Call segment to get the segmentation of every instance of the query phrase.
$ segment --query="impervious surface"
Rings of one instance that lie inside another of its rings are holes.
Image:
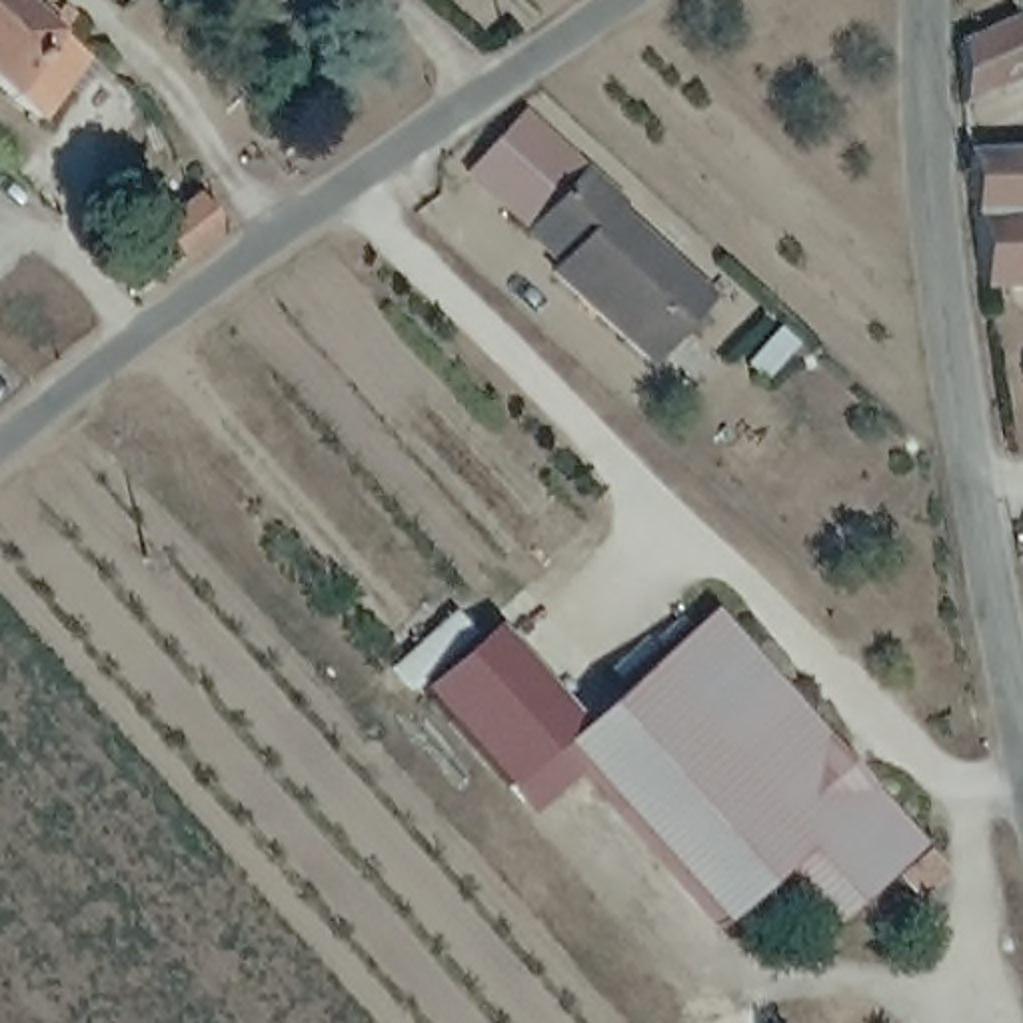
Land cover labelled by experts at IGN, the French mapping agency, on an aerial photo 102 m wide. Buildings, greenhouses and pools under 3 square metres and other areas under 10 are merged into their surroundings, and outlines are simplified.
[[[995,512],[987,456],[1003,448],[999,420],[991,408],[983,312],[975,300],[975,256],[967,236],[963,172],[959,124],[947,112],[947,100],[955,96],[955,28],[951,0],[907,0],[907,180],[919,248],[903,252],[899,260],[907,272],[907,300],[915,320],[923,408],[903,420],[903,432],[919,444],[927,436],[943,440],[943,464],[951,484],[947,508],[955,515],[967,575],[963,611],[971,615],[971,655],[979,659],[983,683],[983,691],[967,707],[967,719],[983,731],[983,759],[995,763],[1023,791],[1023,519],[1015,523],[1007,512]]]
[[[420,691],[428,683],[428,671],[436,679],[448,679],[500,623],[527,643],[527,631],[543,619],[543,611],[559,603],[563,587],[591,563],[595,551],[571,543],[559,551],[535,547],[535,559],[543,567],[539,583],[515,591],[504,611],[496,603],[476,603],[472,619],[456,615],[448,615],[440,631],[432,631],[404,663],[396,663],[396,667],[400,683]]]
[[[100,384],[128,364],[204,308],[244,272],[280,252],[288,240],[320,224],[328,216],[340,216],[372,184],[404,172],[424,148],[432,148],[432,140],[468,120],[480,104],[504,96],[515,80],[539,72],[543,64],[583,44],[587,36],[595,36],[643,0],[591,0],[555,32],[539,36],[519,56],[500,64],[496,72],[468,80],[444,100],[428,116],[408,124],[400,136],[392,136],[388,144],[332,176],[320,192],[276,204],[272,216],[256,220],[224,260],[216,260],[208,272],[200,272],[180,292],[160,300],[148,316],[136,316],[112,344],[104,344],[52,392],[44,392],[32,408],[24,408],[12,424],[0,428],[0,464],[12,452],[20,452],[40,428],[48,428],[68,404],[76,404],[84,392]]]

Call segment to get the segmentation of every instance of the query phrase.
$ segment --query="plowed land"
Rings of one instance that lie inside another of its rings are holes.
[[[80,639],[48,615],[44,599],[16,575],[12,559],[4,559],[0,551],[0,595],[28,619],[28,627],[40,631],[40,639],[120,723],[120,731],[140,747],[140,755],[156,763],[156,771],[180,791],[196,819],[248,871],[248,879],[272,899],[272,907],[312,943],[312,951],[344,979],[344,987],[372,1011],[376,1023],[412,1023],[408,1011],[388,999],[388,991],[344,947],[344,939],[336,939],[320,923],[320,915],[296,895],[296,887],[288,887],[276,863],[248,839],[248,831],[208,795],[208,787],[196,783],[196,775],[180,763],[176,747],[168,747],[144,723],[144,715],[100,675],[100,667],[80,651]]]
[[[308,823],[300,803],[280,791],[288,779],[304,783],[320,799],[320,807],[352,835],[352,843],[384,867],[388,883],[416,907],[416,915],[436,935],[444,935],[452,955],[480,979],[488,999],[512,1015],[512,1023],[571,1023],[559,1011],[559,1003],[539,987],[539,979],[508,955],[500,935],[476,919],[472,903],[460,899],[460,891],[436,871],[436,863],[404,835],[404,827],[372,799],[372,791],[308,727],[308,719],[288,703],[288,695],[268,679],[268,671],[236,643],[236,635],[228,635],[208,615],[208,607],[172,571],[148,571],[144,555],[136,555],[136,531],[128,515],[116,512],[104,496],[104,484],[112,484],[128,496],[120,456],[104,452],[88,436],[104,404],[100,384],[84,392],[76,404],[68,404],[48,428],[40,428],[20,452],[12,452],[0,464],[0,547],[24,547],[32,571],[44,575],[56,587],[60,603],[88,623],[96,647],[116,655],[120,671],[152,695],[156,711],[172,727],[188,735],[196,755],[208,767],[216,767],[228,795],[252,807],[260,831],[284,843],[292,867],[320,887],[332,911],[352,923],[352,931],[380,959],[380,967],[404,991],[412,991],[436,1023],[488,1023],[472,1007],[464,987],[456,987],[444,975],[432,951],[376,895],[376,887],[332,847],[328,835],[320,835]],[[216,679],[220,695],[252,719],[256,735],[280,751],[280,767],[264,767],[236,739],[236,731],[208,707],[208,695],[172,667],[172,659],[140,631],[128,607],[112,599],[108,583],[72,551],[64,535],[56,535],[40,519],[40,504],[64,512],[80,527],[80,535],[104,559],[116,563],[124,583],[144,599],[148,615],[180,639],[184,655],[200,663]]]
[[[623,1015],[583,979],[567,951],[547,935],[547,927],[496,879],[484,855],[448,819],[436,815],[432,799],[416,787],[416,779],[396,767],[396,759],[376,739],[364,739],[344,699],[316,683],[312,663],[276,631],[276,623],[244,595],[244,587],[164,512],[164,504],[152,492],[136,504],[144,508],[148,543],[172,543],[180,559],[212,583],[216,599],[252,631],[252,643],[276,651],[284,675],[340,731],[340,743],[376,767],[380,783],[396,795],[396,803],[408,807],[420,831],[448,851],[456,871],[476,879],[484,903],[512,923],[519,943],[543,959],[551,979],[575,995],[591,1023],[623,1023]]]

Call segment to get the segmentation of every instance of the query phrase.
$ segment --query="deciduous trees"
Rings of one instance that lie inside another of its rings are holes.
[[[667,436],[703,408],[699,384],[683,376],[667,400],[643,396],[647,420]]]
[[[512,416],[519,416],[527,404],[512,384],[480,384],[468,360],[452,360],[444,352],[444,340],[460,332],[440,304],[432,304],[424,316],[420,308],[408,308],[400,300],[384,312],[384,320],[452,388],[452,396],[488,432],[504,432]]]
[[[216,767],[208,767],[196,755],[188,735],[172,727],[156,711],[152,695],[120,671],[116,655],[96,647],[88,623],[60,603],[56,587],[44,575],[32,571],[24,547],[0,547],[0,551],[4,559],[12,559],[16,575],[44,599],[48,615],[80,639],[80,651],[100,667],[100,675],[144,715],[144,723],[168,747],[176,747],[180,763],[196,775],[196,783],[208,787],[208,795],[248,831],[248,839],[276,863],[288,887],[296,887],[296,895],[320,915],[320,923],[336,939],[344,939],[344,947],[388,991],[388,999],[408,1011],[412,1023],[436,1023],[412,991],[404,991],[380,967],[380,959],[352,931],[352,923],[332,911],[320,887],[292,867],[284,843],[260,831],[252,807],[228,795]]]
[[[883,408],[875,392],[859,380],[851,384],[847,428],[863,440],[903,432],[903,420],[891,408]]]
[[[120,56],[120,48],[84,12],[76,16],[76,40],[88,44],[104,64]]]
[[[867,675],[895,695],[915,679],[903,647],[871,655],[863,663]]]
[[[452,563],[452,555],[424,531],[416,515],[408,515],[400,496],[388,496],[380,508],[412,539],[420,559],[448,587],[464,587],[468,579]]]
[[[172,659],[172,667],[208,695],[208,707],[236,731],[236,739],[264,767],[280,767],[280,751],[256,735],[252,719],[220,695],[216,679],[200,663],[184,655],[180,639],[148,615],[144,599],[124,583],[116,563],[104,559],[80,535],[80,527],[64,512],[40,504],[40,519],[56,535],[64,535],[72,551],[108,583],[112,599],[128,607],[140,631]]]
[[[843,551],[835,563],[823,563],[827,583],[855,591],[863,583],[879,583],[903,571],[907,543],[899,535],[867,535],[863,547]]]
[[[743,48],[747,16],[739,0],[675,0],[667,20],[691,52]]]
[[[811,60],[795,60],[775,72],[767,104],[783,132],[799,148],[807,148],[827,140],[827,132],[847,116],[847,108],[823,84]]]
[[[168,36],[184,44],[192,68],[208,76],[216,96],[236,84],[248,100],[252,128],[272,132],[280,144],[300,148],[304,156],[324,156],[344,140],[352,112],[364,100],[384,96],[392,72],[400,72],[404,64],[404,48],[412,44],[392,0],[380,0],[360,8],[332,8],[328,24],[300,28],[288,36],[280,20],[288,12],[288,0],[160,0]]]
[[[264,527],[264,551],[280,559],[292,579],[300,579],[316,611],[336,615],[344,623],[344,631],[372,667],[396,667],[396,663],[392,647],[400,639],[364,607],[356,575],[348,575],[336,559],[312,551],[292,523],[280,519]]]
[[[28,188],[36,180],[24,172],[28,148],[12,124],[0,120],[0,188]]]
[[[871,923],[875,959],[891,971],[931,971],[947,947],[943,903],[931,899],[919,903],[907,919]]]
[[[547,424],[535,436],[535,444],[547,452],[539,484],[547,476],[571,476],[575,492],[607,496],[591,464],[583,464],[579,452],[567,448]]]
[[[512,1023],[512,1015],[488,999],[480,979],[452,955],[444,935],[436,935],[416,915],[416,907],[388,883],[384,867],[352,843],[352,835],[320,807],[320,799],[304,783],[288,779],[280,791],[300,803],[308,823],[320,835],[328,835],[332,847],[376,887],[376,895],[432,951],[444,975],[456,987],[464,987],[472,1007],[488,1023]]]
[[[727,931],[763,967],[823,971],[835,959],[839,915],[839,907],[807,875],[787,875],[763,903],[739,915]]]
[[[851,20],[835,32],[839,68],[867,84],[887,80],[895,68],[895,52],[867,24]]]
[[[180,260],[184,228],[188,204],[180,200],[180,188],[168,188],[148,160],[112,172],[104,188],[108,196],[92,196],[84,220],[72,224],[72,236],[84,244],[96,268],[124,288],[144,288],[168,276],[168,268]]]
[[[607,96],[647,132],[647,140],[663,140],[663,120],[655,116],[655,108],[631,96],[619,80],[607,80]]]
[[[571,1023],[591,1023],[575,995],[551,979],[543,959],[519,943],[512,923],[484,903],[476,879],[456,871],[448,851],[420,831],[408,807],[396,803],[396,795],[380,783],[376,767],[340,743],[340,731],[284,675],[276,651],[252,643],[252,631],[216,599],[212,583],[180,559],[172,543],[148,543],[144,508],[136,504],[128,508],[128,515],[136,531],[136,555],[144,555],[148,571],[172,571],[208,607],[208,615],[228,635],[236,635],[236,643],[268,671],[268,679],[288,695],[288,703],[308,719],[308,727],[372,791],[372,799],[404,827],[404,835],[436,863],[436,871],[460,891],[460,899],[472,903],[476,919],[500,935],[508,955],[539,979],[539,987],[559,1003],[559,1011]]]
[[[643,64],[667,88],[683,92],[691,104],[707,104],[703,80],[679,76],[679,68],[667,64],[655,48],[643,48]]]

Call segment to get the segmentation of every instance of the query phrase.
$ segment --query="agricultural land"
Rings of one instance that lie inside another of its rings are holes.
[[[607,496],[575,492],[571,476],[547,476],[539,484],[547,452],[535,444],[535,436],[547,424],[535,412],[535,404],[527,404],[519,416],[512,416],[504,432],[488,432],[452,396],[452,388],[384,320],[384,312],[400,300],[408,308],[420,308],[424,316],[432,304],[420,288],[412,288],[412,280],[400,268],[392,268],[376,252],[372,240],[364,240],[360,232],[328,232],[320,224],[288,240],[280,252],[244,272],[204,308],[216,320],[216,328],[200,336],[196,360],[208,368],[212,384],[240,412],[252,436],[300,480],[300,488],[336,519],[352,547],[364,551],[372,567],[408,603],[428,603],[436,611],[444,599],[452,599],[456,615],[472,619],[476,603],[496,603],[504,611],[515,591],[539,583],[543,567],[535,559],[535,547],[559,551],[571,543],[595,551],[611,535]],[[420,559],[412,539],[380,508],[388,496],[400,496],[408,515],[416,515],[424,531],[452,555],[452,563],[468,579],[464,587],[448,587]]]
[[[907,272],[899,260],[903,252],[919,248],[907,180],[907,0],[739,0],[747,16],[743,48],[691,52],[667,20],[675,0],[643,0],[595,36],[587,36],[583,44],[543,64],[539,72],[543,80],[535,80],[519,96],[527,104],[531,104],[543,96],[555,108],[563,108],[587,132],[587,144],[579,148],[619,184],[631,208],[691,260],[711,252],[735,252],[823,340],[859,380],[875,392],[883,408],[891,408],[903,420],[923,408],[915,320],[907,300]],[[895,68],[887,80],[867,84],[839,68],[835,32],[851,20],[867,24],[895,52]],[[683,92],[667,88],[643,64],[643,48],[655,48],[667,64],[679,68],[679,76],[703,80],[707,104],[691,104]],[[827,132],[827,140],[807,148],[799,148],[783,132],[767,104],[775,72],[795,60],[811,60],[823,84],[847,108],[847,116]],[[607,96],[607,80],[619,80],[631,96],[655,108],[655,116],[663,120],[663,140],[647,140],[647,132]]]
[[[156,763],[140,755],[140,747],[120,731],[120,723],[40,639],[40,631],[28,627],[28,619],[0,595],[0,1023],[376,1023],[372,1011],[344,987],[344,979],[312,951],[312,943],[272,907],[272,899],[248,879],[248,871],[196,819],[180,791],[156,771]]]
[[[555,32],[591,0],[456,0],[480,24],[492,24],[496,16],[512,16],[519,24],[519,36],[496,52],[500,64],[519,56],[539,36]]]
[[[460,332],[444,340],[444,352],[452,360],[468,360],[480,384],[512,384]]]

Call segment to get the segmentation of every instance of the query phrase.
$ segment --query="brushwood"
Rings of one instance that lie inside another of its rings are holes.
[[[867,771],[879,783],[895,787],[895,803],[915,819],[923,839],[935,851],[951,847],[947,819],[931,807],[931,795],[915,783],[915,775],[875,755]]]
[[[1023,400],[1007,400],[999,312],[983,312],[991,408],[999,420],[1003,448],[1023,460]]]
[[[456,0],[424,0],[480,52],[496,52],[519,36],[519,24],[512,16],[496,16],[492,24],[480,24]]]
[[[775,332],[795,332],[799,344],[815,352],[823,340],[735,252],[711,252],[715,264],[755,304],[755,312],[719,344],[723,360],[755,356]]]
[[[136,80],[128,88],[136,116],[160,124],[168,112],[160,96],[144,80]]]
[[[791,663],[775,635],[743,603],[743,595],[715,579],[707,583],[719,595],[715,611],[731,615],[747,631],[763,659],[811,703],[811,711],[823,719],[839,747],[855,743],[839,707],[819,691],[815,675]]]

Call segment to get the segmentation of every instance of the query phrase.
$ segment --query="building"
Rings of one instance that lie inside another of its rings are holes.
[[[508,220],[515,212],[531,220],[527,236],[543,244],[547,264],[559,268],[599,312],[607,312],[647,352],[647,372],[671,368],[671,352],[711,324],[719,280],[703,276],[691,260],[631,208],[619,184],[579,148],[531,104],[527,104],[527,112],[508,128],[508,136],[468,172],[496,196],[496,216]]]
[[[795,332],[775,332],[755,356],[763,372],[779,372],[799,344]]]
[[[200,196],[188,204],[184,228],[216,208],[220,192],[204,184]]]
[[[84,92],[92,76],[104,72],[104,64],[88,44],[76,40],[76,16],[84,12],[72,0],[0,0],[0,92],[12,108],[44,116],[56,112],[68,88]]]
[[[975,164],[967,164],[963,172],[967,236],[975,256],[975,300],[983,312],[999,312],[1003,300],[1023,312],[1023,144],[983,144]]]
[[[1023,92],[1023,0],[991,0],[1003,4],[1011,20],[975,36],[959,36],[955,28],[955,96],[971,100],[971,92],[979,96],[1003,84],[1015,84]]]
[[[563,691],[555,671],[527,643],[500,623],[448,679],[436,679],[428,671],[428,683],[420,691],[440,711],[440,719],[460,727],[464,739],[496,767],[496,775],[512,783],[519,783],[539,807],[551,807],[579,779],[591,783],[591,791],[635,827],[651,855],[727,931],[739,915],[763,903],[787,875],[807,875],[839,907],[839,915],[867,911],[891,883],[907,883],[911,891],[927,887],[931,899],[943,903],[951,895],[951,847],[935,851],[923,839],[915,819],[895,803],[895,787],[879,783],[867,771],[875,755],[859,751],[855,743],[839,747],[823,719],[811,711],[811,703],[763,659],[747,631],[731,615],[715,611],[611,711],[587,711],[579,687]]]

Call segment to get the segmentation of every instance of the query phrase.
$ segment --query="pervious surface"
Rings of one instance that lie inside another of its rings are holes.
[[[1023,460],[1003,448],[987,456],[995,512],[1007,512],[1015,523],[1023,519]]]
[[[647,372],[647,352],[607,312],[599,312],[559,268],[547,264],[543,244],[527,236],[531,220],[515,212],[508,220],[496,216],[496,196],[468,172],[508,136],[508,128],[527,112],[527,104],[519,96],[535,80],[543,80],[539,72],[515,80],[504,96],[480,104],[468,120],[432,140],[432,148],[424,148],[404,172],[372,184],[340,216],[328,216],[320,224],[328,232],[360,232],[364,240],[372,240],[376,252],[392,268],[400,268],[412,280],[412,288],[420,288],[432,304],[440,304],[460,332],[512,384],[527,404],[535,404],[535,412],[547,424],[567,448],[579,452],[583,464],[591,464],[607,496],[611,535],[595,551],[591,563],[563,587],[559,603],[543,611],[543,619],[527,631],[527,643],[555,671],[563,691],[579,687],[579,675],[595,659],[627,643],[631,635],[647,631],[655,619],[671,611],[671,603],[691,599],[707,583],[715,579],[743,595],[743,603],[775,635],[791,663],[815,675],[819,691],[839,707],[855,743],[859,751],[875,755],[915,775],[915,783],[931,795],[931,807],[947,819],[951,847],[951,895],[943,903],[947,947],[931,971],[891,971],[875,959],[835,959],[823,971],[763,967],[727,931],[651,855],[635,827],[591,791],[591,783],[579,779],[551,807],[539,807],[519,783],[512,783],[519,815],[559,847],[559,855],[599,895],[603,911],[619,923],[619,931],[627,931],[635,943],[651,951],[651,971],[675,987],[687,1023],[783,1023],[779,999],[819,999],[831,1023],[1023,1023],[1023,923],[1007,911],[995,875],[991,823],[1011,819],[1023,807],[1023,791],[995,763],[983,759],[947,755],[895,695],[867,675],[863,663],[839,651],[839,643],[807,615],[799,615],[795,603],[755,563],[747,563],[715,527],[707,527],[559,380],[551,364],[535,356],[535,348],[519,332],[512,332],[424,240],[412,236],[404,212],[424,212],[428,224],[436,224],[488,280],[508,280],[515,296],[531,304],[531,320],[543,324],[543,332],[555,336],[579,364],[603,376],[623,396],[623,404],[635,404],[643,396],[667,400],[683,376],[699,384],[723,360],[719,344],[755,312],[755,304],[715,264],[711,252],[691,260],[703,276],[719,280],[711,324],[671,352],[671,368]]]
[[[587,132],[563,108],[555,108],[543,96],[531,104],[579,148],[587,144]]]
[[[28,148],[24,172],[36,180],[28,188],[0,188],[0,280],[16,268],[20,256],[44,256],[72,276],[72,284],[88,296],[88,304],[100,316],[92,336],[72,344],[44,376],[36,376],[12,408],[0,408],[0,428],[12,424],[24,408],[32,408],[44,392],[52,392],[104,344],[112,344],[136,316],[148,316],[160,300],[128,296],[124,288],[96,268],[84,244],[72,236],[72,224],[84,220],[92,196],[108,196],[104,188],[112,172],[148,160],[144,140],[132,140],[124,132],[136,116],[128,88],[136,80],[144,80],[160,96],[168,112],[192,136],[204,164],[204,184],[220,192],[232,196],[240,216],[256,220],[272,216],[276,204],[260,180],[248,176],[248,160],[212,124],[208,100],[216,96],[208,76],[192,68],[184,44],[168,36],[164,44],[152,44],[120,16],[120,4],[112,0],[72,0],[84,12],[120,48],[120,56],[104,64],[104,72],[92,76],[84,92],[68,88],[56,112],[44,116],[40,132],[48,136]]]
[[[480,52],[424,0],[392,0],[412,44],[432,56],[436,92],[444,100],[468,80],[496,72],[500,64],[496,52]]]
[[[280,519],[292,523],[312,551],[336,559],[348,575],[356,575],[364,607],[400,639],[392,647],[396,663],[404,663],[432,631],[440,631],[448,615],[456,615],[452,599],[444,599],[436,611],[428,603],[408,603],[372,567],[364,551],[352,547],[336,519],[300,488],[300,480],[252,436],[240,412],[212,384],[208,368],[196,360],[200,336],[216,328],[216,320],[204,308],[128,364],[132,376],[156,376],[188,404],[188,412],[208,428],[208,436],[240,460],[260,496],[280,508]]]
[[[959,124],[963,172],[967,164],[975,164],[983,144],[1023,144],[1023,92],[1015,84],[1003,84],[979,96],[971,92],[971,100],[955,96],[947,100],[947,112]]]

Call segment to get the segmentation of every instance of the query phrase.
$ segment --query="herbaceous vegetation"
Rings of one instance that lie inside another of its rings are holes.
[[[112,0],[120,4],[120,16],[152,44],[164,44],[168,36],[160,0]]]
[[[975,36],[1011,20],[1003,4],[991,0],[951,0],[955,28],[959,36]]]
[[[1023,807],[1011,819],[991,823],[995,875],[1007,911],[1023,923]]]
[[[555,336],[543,332],[543,324],[531,320],[531,304],[515,296],[508,280],[488,280],[436,224],[428,224],[424,212],[404,212],[412,236],[424,240],[512,332],[519,332],[535,348],[535,356],[551,364],[559,380],[707,527],[715,527],[747,563],[755,563],[795,603],[799,615],[807,615],[839,643],[839,651],[863,663],[871,655],[903,647],[915,679],[895,695],[947,755],[983,759],[983,731],[967,719],[967,707],[983,691],[983,683],[979,659],[971,655],[971,615],[963,611],[967,575],[955,515],[947,508],[951,484],[943,464],[943,440],[927,436],[919,444],[903,432],[863,440],[847,428],[851,384],[859,380],[823,340],[815,352],[799,344],[779,372],[763,372],[755,356],[723,360],[699,384],[703,408],[667,436],[647,420],[643,396],[635,404],[623,404],[623,396],[603,376],[579,364]],[[903,571],[879,583],[863,583],[855,591],[827,583],[823,563],[835,563],[843,551],[863,547],[867,535],[899,535],[907,543]]]
[[[436,815],[448,819],[484,855],[496,879],[547,927],[547,935],[567,951],[583,979],[623,1015],[623,1023],[687,1023],[675,987],[651,971],[651,951],[635,943],[627,931],[619,931],[619,923],[603,911],[599,895],[559,855],[559,847],[519,815],[512,783],[496,775],[496,767],[464,739],[460,727],[440,719],[440,711],[420,691],[400,683],[396,667],[372,667],[344,631],[344,623],[336,615],[316,611],[300,579],[292,579],[280,559],[264,551],[264,527],[280,519],[280,508],[260,496],[240,460],[208,436],[208,428],[188,412],[188,404],[156,376],[132,376],[128,364],[100,384],[104,404],[88,436],[104,452],[120,456],[128,496],[112,484],[104,484],[104,496],[116,512],[128,515],[128,508],[136,504],[152,492],[164,504],[164,512],[244,587],[244,595],[276,623],[276,631],[312,663],[316,683],[344,699],[364,739],[376,739],[396,759],[396,767],[416,779],[416,787],[432,799]]]
[[[867,911],[839,915],[835,959],[875,959],[871,923],[907,919],[919,903],[931,899],[927,887],[911,891],[907,883],[891,883]]]
[[[256,220],[240,216],[232,196],[220,192],[216,208],[184,228],[180,260],[168,268],[168,276],[144,288],[124,288],[128,296],[160,300],[180,292],[200,272],[208,272],[216,260],[224,260]]]
[[[28,148],[48,136],[40,132],[44,116],[12,108],[0,92],[0,120],[12,124]]]
[[[831,1023],[819,999],[779,999],[783,1023]]]
[[[1007,400],[1023,400],[1023,312],[1003,300],[999,312]]]
[[[715,611],[719,595],[707,583],[691,599],[671,603],[671,611],[655,619],[647,631],[631,635],[627,643],[595,659],[579,675],[579,687],[587,711],[611,711]]]
[[[124,132],[132,140],[144,140],[148,160],[168,188],[180,188],[180,200],[188,204],[200,196],[204,184],[204,164],[192,136],[168,112],[160,124],[136,116]]]
[[[400,72],[392,72],[384,96],[364,100],[352,112],[344,140],[324,156],[304,156],[300,148],[280,144],[272,132],[252,128],[248,100],[236,84],[216,96],[208,100],[212,124],[248,160],[248,176],[260,180],[276,204],[320,192],[332,176],[388,144],[392,136],[400,136],[408,124],[428,116],[444,100],[436,92],[432,56],[412,44],[404,48],[404,64]]]
[[[88,296],[72,284],[72,276],[44,256],[20,256],[16,268],[0,280],[0,408],[12,408],[36,376],[44,376],[72,344],[92,336],[100,316],[88,304]]]
[[[288,12],[280,20],[288,36],[300,28],[328,24],[332,8],[360,8],[380,0],[288,0]]]

